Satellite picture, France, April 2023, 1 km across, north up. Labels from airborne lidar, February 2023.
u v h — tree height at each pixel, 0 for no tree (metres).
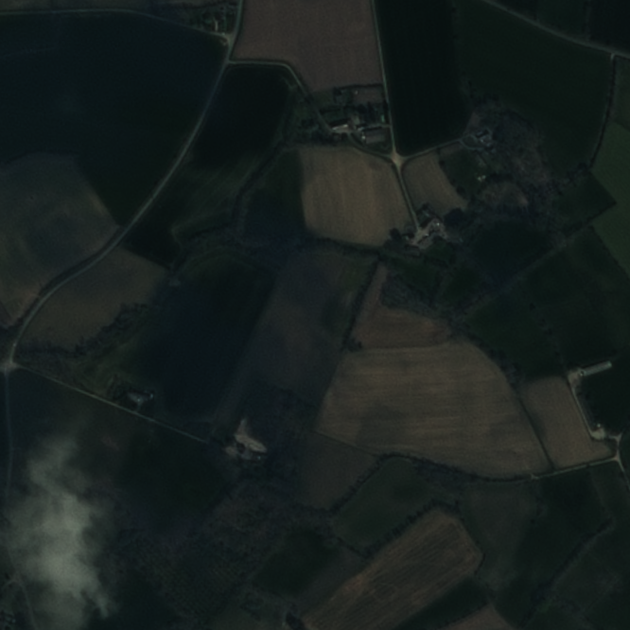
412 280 0
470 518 0
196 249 8
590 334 0
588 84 0
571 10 0
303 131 9
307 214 0
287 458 7
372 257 10
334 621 0
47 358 29
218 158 0
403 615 0
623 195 0
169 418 0
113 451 0
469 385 0
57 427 0
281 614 11
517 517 0
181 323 0
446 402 0
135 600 0
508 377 30
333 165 0
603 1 0
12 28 0
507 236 0
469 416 0
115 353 0
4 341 25
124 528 7
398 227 0
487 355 13
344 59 0
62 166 0
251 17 0
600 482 0
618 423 0
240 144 0
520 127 27
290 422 7
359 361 0
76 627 0
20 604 10
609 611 0
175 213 0
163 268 0
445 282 14
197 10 7
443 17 0
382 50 0
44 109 0
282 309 0
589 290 0
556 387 0
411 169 0
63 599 0
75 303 0
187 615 12
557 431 0
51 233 0
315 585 0
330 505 0
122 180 0
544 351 0
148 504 0
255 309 0
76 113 0
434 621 0
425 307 31
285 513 15
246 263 0
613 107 16
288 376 0
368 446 0
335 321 0
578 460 0
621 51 0
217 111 0
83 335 0
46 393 0
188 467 0
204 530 8
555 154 0
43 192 0
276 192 0
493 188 12
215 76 0
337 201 0
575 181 14
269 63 0
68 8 0
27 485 0
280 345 0
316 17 0
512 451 0
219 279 0
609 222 0
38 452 0
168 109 0
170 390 0
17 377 0
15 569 0
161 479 0
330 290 0
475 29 0
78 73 0
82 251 0
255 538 9
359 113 13
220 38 0
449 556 0
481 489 0
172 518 0
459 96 0
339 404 0
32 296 0
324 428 0
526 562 0
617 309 0
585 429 0
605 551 0
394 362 0
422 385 0
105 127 0
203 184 0
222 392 0
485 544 0
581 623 24
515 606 0
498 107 13
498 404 0
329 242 9
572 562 13
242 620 0
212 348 0
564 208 0
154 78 0
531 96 0
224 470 17
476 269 14
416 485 0
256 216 0
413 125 0
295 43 0
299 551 0
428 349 0
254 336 0
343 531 0
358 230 0
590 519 0
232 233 16
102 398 0
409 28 0
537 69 0
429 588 0
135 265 0
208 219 0
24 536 0
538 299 0
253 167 0
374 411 0
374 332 0
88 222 0
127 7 0
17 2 0
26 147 0
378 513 0
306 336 0
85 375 0
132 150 0
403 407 0
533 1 0
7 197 0
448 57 0
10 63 0
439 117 0
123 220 0
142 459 0
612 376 0
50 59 0
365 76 0
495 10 0
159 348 0
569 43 0
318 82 0
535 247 0
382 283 0
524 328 0
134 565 10
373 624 0
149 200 0
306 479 0
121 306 0
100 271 0
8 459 0
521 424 0
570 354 0
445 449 0
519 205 0
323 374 0
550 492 0
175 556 11
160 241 0
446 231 14
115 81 0
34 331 0
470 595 0
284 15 0
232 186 0
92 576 0
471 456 0
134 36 0
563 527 0
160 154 0
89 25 0
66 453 0
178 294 0
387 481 0
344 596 0
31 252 0
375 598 0
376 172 0
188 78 0
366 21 0
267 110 0
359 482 7
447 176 7
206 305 0
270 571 0
